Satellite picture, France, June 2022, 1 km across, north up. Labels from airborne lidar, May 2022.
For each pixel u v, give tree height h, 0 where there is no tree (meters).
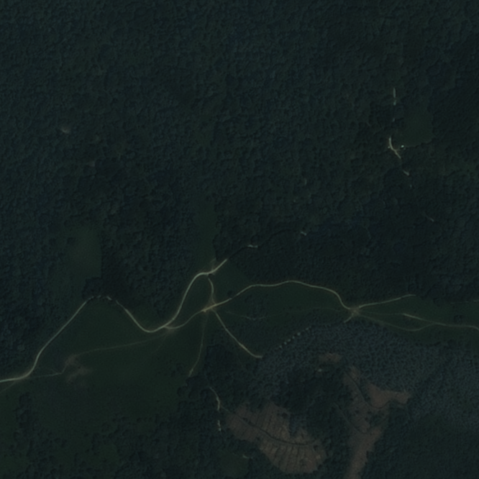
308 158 15
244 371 6
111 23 12
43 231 18
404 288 6
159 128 16
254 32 19
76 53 23
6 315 18
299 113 10
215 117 6
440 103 15
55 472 17
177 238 7
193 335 0
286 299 0
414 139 0
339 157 16
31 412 12
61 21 6
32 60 10
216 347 16
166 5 22
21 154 18
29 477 26
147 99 15
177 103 12
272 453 0
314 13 19
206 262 0
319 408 32
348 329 15
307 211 12
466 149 10
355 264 14
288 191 15
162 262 14
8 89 16
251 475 15
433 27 18
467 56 20
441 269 12
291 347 17
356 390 0
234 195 8
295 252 14
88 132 32
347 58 13
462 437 10
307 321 7
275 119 17
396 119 7
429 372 19
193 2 27
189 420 17
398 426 9
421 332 0
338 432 10
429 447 7
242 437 0
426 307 0
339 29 13
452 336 0
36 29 22
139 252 25
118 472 12
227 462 0
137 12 28
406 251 32
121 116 31
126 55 11
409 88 12
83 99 27
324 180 25
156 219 36
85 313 0
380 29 7
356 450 0
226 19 13
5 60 24
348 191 14
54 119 17
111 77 31
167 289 13
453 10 18
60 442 10
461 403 12
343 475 11
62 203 19
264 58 27
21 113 13
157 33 11
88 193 21
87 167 15
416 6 13
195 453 7
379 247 31
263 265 11
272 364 19
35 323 17
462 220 19
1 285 14
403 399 0
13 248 25
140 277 12
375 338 19
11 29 27
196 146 15
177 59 15
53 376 0
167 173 24
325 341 19
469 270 10
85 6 12
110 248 9
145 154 15
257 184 18
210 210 0
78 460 15
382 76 19
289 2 33
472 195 21
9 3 23
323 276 9
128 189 35
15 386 0
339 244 34
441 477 13
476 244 16
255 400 17
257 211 12
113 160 21
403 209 25
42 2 19
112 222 15
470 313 0
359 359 16
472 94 14
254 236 18
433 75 21
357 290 7
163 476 26
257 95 10
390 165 13
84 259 0
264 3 30
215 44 8
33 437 17
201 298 0
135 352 0
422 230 26
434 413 11
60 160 19
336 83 12
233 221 16
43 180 18
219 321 0
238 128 24
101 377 0
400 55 13
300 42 20
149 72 14
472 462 8
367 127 11
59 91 9
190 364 0
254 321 6
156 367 0
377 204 29
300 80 15
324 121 18
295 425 18
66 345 0
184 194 10
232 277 0
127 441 18
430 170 13
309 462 0
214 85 20
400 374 17
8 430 0
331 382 23
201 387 20
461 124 16
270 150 21
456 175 15
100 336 0
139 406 0
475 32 17
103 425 8
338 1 14
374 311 0
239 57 28
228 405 10
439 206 21
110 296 9
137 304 14
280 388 19
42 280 15
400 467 11
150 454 18
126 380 0
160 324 0
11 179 12
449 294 21
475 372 10
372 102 10
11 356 13
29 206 20
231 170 18
